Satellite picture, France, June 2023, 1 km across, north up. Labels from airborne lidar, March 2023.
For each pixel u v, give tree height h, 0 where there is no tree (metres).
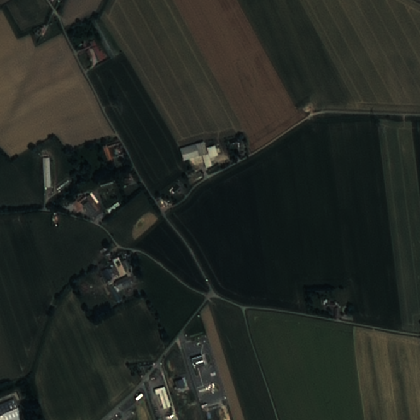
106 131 0
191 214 0
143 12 0
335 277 0
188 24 0
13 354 0
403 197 0
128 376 0
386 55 0
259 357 0
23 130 0
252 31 0
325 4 0
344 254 0
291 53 0
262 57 0
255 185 0
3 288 0
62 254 0
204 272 0
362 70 0
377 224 0
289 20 0
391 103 0
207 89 0
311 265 0
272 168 0
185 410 0
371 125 0
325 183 0
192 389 0
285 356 0
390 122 0
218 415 0
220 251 0
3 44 0
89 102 0
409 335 0
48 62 0
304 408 0
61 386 0
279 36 0
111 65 0
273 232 0
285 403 0
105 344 0
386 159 0
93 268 16
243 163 0
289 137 0
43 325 0
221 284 0
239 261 0
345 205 0
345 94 0
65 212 8
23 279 0
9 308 0
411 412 0
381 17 0
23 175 0
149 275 0
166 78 0
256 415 0
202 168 0
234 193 0
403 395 0
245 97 0
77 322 0
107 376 0
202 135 0
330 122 0
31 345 0
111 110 0
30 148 17
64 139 0
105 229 0
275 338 0
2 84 0
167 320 0
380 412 0
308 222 0
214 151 0
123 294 0
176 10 0
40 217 0
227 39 0
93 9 0
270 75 0
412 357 0
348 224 0
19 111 0
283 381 0
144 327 0
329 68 0
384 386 0
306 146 0
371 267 0
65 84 0
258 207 0
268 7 0
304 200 0
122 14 0
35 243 0
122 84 0
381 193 0
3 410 0
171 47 0
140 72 0
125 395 0
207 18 0
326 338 0
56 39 0
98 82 0
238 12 0
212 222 0
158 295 0
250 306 0
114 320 0
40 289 0
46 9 0
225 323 0
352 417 0
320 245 0
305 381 0
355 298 0
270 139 0
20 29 0
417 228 0
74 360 0
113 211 12
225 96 0
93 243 0
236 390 0
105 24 0
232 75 0
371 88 0
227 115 0
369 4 0
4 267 0
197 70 0
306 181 0
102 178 16
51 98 0
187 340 0
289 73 0
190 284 0
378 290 0
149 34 0
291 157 0
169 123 0
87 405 0
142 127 0
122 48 0
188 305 0
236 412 0
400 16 0
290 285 0
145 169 0
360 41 0
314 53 0
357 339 0
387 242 0
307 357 0
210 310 0
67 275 0
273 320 0
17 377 0
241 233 0
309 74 0
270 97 0
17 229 0
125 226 0
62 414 0
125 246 0
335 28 0
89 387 0
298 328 0
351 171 0
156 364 0
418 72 0
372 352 0
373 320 0
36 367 0
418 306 0
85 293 0
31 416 18
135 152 0
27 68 0
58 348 0
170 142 0
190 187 0
